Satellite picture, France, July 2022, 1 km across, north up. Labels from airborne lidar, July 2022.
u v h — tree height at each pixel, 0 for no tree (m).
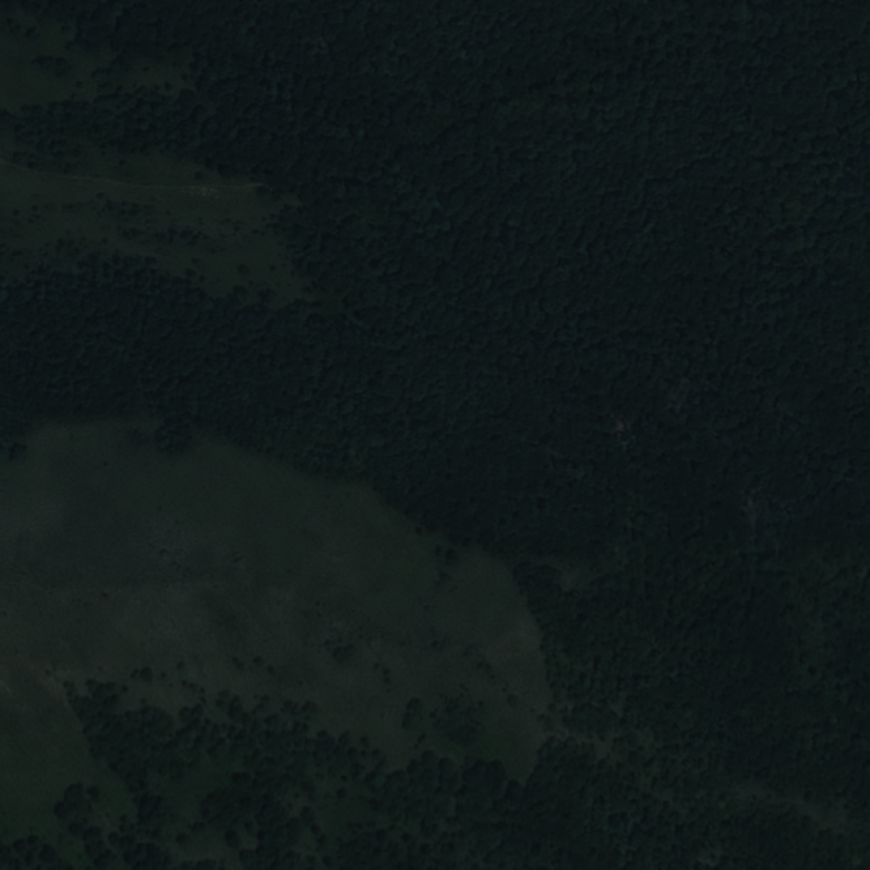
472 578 0
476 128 29
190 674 0
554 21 30
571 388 24
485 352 30
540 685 0
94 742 12
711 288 34
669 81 32
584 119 39
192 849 0
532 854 21
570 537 22
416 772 17
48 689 0
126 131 15
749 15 36
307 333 31
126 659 0
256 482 0
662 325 24
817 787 12
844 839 15
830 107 37
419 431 21
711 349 31
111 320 27
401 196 35
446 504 22
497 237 32
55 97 0
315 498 0
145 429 0
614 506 22
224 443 0
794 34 30
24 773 0
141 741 19
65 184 0
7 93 0
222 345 17
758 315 32
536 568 10
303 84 29
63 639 0
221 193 0
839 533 22
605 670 17
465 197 30
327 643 8
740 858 14
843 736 20
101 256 6
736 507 25
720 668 21
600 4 30
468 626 0
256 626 0
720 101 33
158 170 0
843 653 7
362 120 8
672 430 28
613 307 34
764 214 28
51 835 0
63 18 6
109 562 0
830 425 30
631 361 32
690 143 28
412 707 12
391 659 0
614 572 6
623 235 29
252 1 29
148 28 32
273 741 19
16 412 20
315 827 11
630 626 22
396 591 0
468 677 0
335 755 20
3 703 0
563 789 20
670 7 30
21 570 0
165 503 0
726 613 24
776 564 21
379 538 0
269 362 24
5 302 23
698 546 13
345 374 25
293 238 9
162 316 21
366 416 23
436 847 8
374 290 31
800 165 32
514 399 29
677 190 32
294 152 29
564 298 30
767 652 31
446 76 28
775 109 33
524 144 31
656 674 24
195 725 20
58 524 0
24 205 0
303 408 17
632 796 13
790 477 32
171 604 0
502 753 0
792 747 22
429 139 10
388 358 31
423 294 30
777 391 25
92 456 0
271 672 12
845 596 21
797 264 33
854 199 31
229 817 10
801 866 14
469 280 28
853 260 32
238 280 0
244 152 20
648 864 19
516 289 21
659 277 29
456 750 0
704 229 31
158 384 10
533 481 29
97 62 0
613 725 13
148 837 6
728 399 25
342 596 0
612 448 32
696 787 15
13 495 0
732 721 14
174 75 0
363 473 14
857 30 33
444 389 27
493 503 29
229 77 28
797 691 22
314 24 29
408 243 36
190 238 7
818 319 30
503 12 31
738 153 29
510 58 26
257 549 0
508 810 19
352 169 8
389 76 28
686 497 27
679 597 15
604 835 23
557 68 25
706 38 31
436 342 29
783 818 14
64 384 22
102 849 13
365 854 10
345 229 27
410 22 31
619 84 29
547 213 28
